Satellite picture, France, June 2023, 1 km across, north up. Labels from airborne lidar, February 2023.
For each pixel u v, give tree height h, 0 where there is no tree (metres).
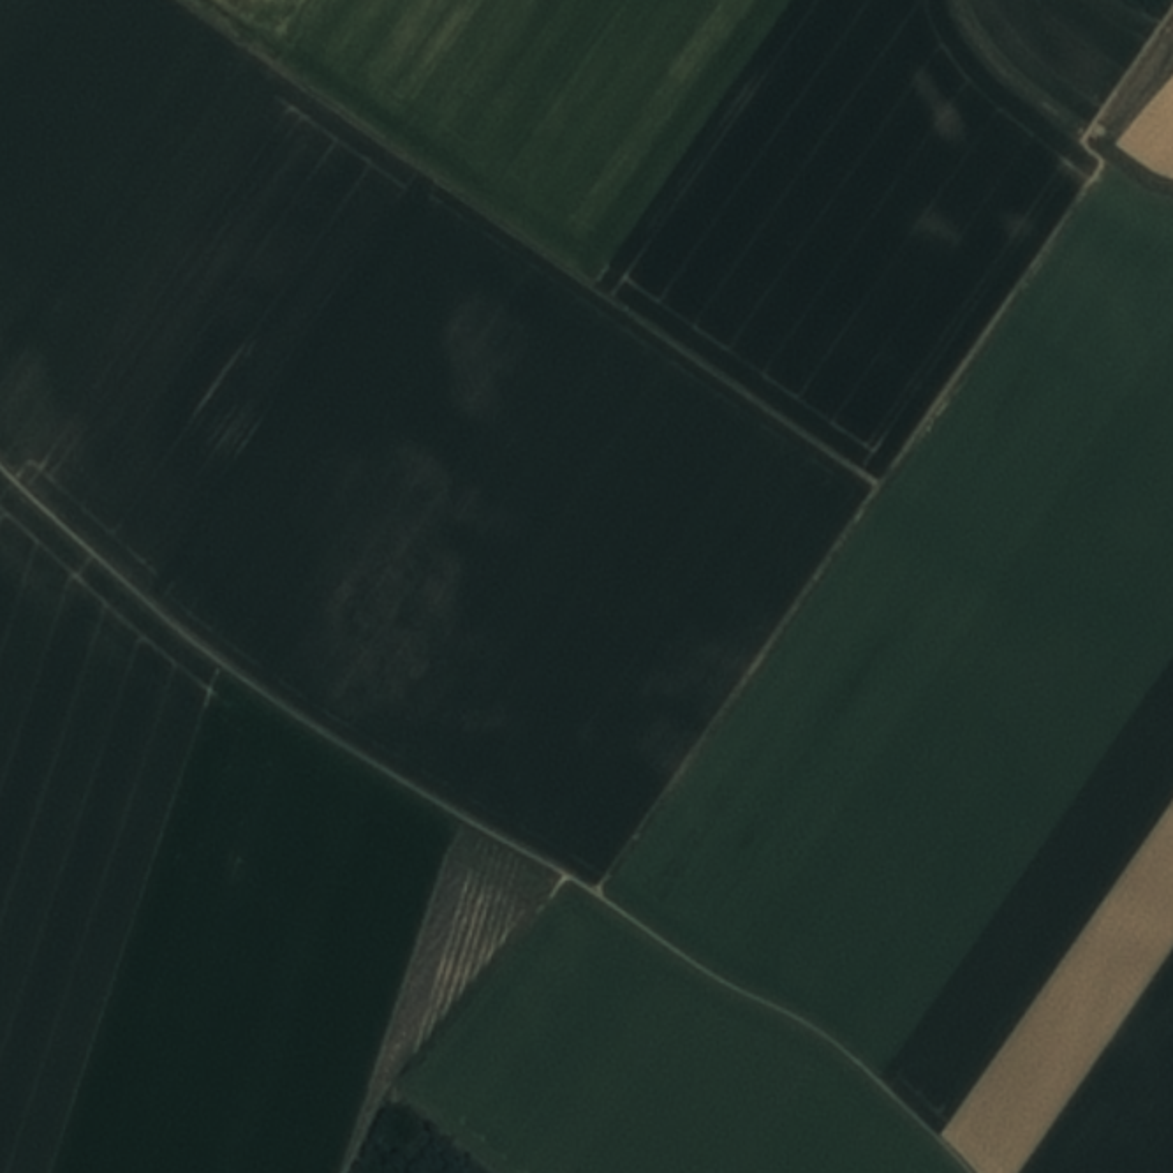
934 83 0
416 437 0
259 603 0
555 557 0
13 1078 0
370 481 0
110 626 0
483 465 0
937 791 0
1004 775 0
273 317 0
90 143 0
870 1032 0
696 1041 0
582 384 0
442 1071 0
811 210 0
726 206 0
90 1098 0
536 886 0
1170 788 0
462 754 0
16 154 0
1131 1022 0
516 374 0
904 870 0
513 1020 0
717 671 0
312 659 0
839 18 0
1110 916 0
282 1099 0
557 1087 0
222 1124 0
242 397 0
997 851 0
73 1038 0
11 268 0
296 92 0
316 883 0
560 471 0
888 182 0
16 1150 0
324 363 0
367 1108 0
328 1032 0
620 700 0
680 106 0
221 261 0
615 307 0
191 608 0
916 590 0
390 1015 0
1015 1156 0
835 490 0
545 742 0
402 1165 18
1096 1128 0
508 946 0
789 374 0
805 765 0
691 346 0
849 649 0
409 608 0
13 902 0
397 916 0
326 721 0
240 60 0
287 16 0
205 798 0
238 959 0
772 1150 0
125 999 0
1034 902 0
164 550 0
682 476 0
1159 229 0
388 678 0
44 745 0
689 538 0
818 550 0
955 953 0
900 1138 0
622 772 0
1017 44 0
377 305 0
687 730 0
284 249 0
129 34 0
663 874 0
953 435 0
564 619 0
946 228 0
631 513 0
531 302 0
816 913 0
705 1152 0
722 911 0
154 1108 0
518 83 0
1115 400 0
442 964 0
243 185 0
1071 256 0
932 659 0
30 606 0
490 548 0
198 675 0
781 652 0
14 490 0
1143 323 0
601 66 0
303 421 0
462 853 0
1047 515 0
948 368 0
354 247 0
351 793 0
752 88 0
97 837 0
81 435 0
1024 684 0
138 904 0
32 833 0
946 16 0
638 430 0
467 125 0
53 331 0
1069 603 0
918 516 0
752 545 0
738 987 0
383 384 0
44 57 0
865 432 0
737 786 0
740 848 0
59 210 0
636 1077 0
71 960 0
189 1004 0
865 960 0
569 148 0
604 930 0
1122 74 0
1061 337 0
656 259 0
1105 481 0
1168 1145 0
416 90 0
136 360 0
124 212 0
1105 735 0
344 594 0
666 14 0
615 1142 0
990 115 0
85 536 0
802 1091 0
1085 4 0
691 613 0
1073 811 0
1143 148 0
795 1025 0
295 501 0
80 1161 0
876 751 0
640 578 0
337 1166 0
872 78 0
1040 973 0
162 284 0
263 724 0
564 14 0
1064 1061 0
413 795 0
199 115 0
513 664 0
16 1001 0
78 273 0
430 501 0
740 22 0
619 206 0
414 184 0
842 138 0
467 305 0
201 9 0
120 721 0
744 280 0
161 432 0
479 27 0
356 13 0
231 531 0
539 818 0
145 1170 0
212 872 0
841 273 0
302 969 0
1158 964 0
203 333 0
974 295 0
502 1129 0
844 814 0
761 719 0
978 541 0
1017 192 0
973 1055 0
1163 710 0
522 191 0
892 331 0
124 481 0
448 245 0
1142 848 0
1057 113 0
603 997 0
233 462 0
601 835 0
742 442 0
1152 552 0
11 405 0
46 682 0
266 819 0
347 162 0
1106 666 0
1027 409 0
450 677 0
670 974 0
